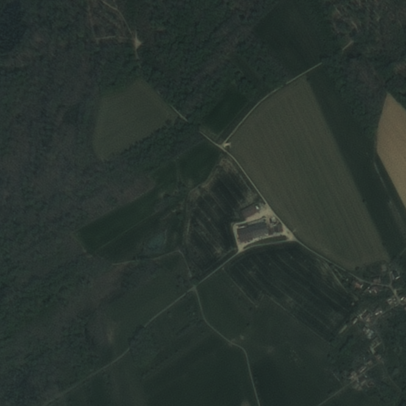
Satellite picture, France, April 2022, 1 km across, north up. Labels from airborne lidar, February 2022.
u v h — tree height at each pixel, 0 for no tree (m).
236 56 0
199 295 0
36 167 16
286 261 0
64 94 23
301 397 0
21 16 26
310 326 0
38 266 0
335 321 0
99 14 0
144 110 0
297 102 0
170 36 27
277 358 0
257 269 0
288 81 18
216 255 8
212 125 0
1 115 31
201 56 25
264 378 0
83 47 30
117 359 0
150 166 20
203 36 28
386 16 19
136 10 10
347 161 0
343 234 0
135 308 0
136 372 0
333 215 0
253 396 0
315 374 0
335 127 0
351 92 23
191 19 33
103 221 0
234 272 0
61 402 0
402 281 11
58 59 32
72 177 33
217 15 31
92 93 23
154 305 0
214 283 0
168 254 0
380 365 0
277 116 0
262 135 0
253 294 0
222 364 0
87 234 0
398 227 0
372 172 0
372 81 21
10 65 35
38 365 33
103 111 0
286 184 0
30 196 22
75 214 30
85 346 14
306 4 12
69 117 7
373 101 25
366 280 15
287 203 0
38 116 23
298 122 0
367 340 0
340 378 0
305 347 0
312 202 0
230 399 0
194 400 0
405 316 5
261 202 0
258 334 0
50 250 24
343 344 0
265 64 27
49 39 32
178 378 0
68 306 19
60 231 19
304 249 0
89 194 30
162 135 17
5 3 13
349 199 0
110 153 0
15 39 23
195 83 25
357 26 0
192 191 0
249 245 0
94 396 0
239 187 0
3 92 31
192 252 0
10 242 27
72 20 35
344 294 0
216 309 0
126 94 0
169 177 0
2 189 32
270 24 0
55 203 28
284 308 0
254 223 0
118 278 0
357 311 0
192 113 27
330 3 0
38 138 29
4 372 25
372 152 0
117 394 0
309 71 0
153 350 23
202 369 0
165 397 0
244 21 25
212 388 0
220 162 0
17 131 28
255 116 0
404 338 6
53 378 31
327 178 0
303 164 0
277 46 0
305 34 0
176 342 0
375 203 0
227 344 0
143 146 18
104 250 0
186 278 0
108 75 30
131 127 0
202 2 31
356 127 0
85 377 11
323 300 0
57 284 25
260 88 0
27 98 14
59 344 23
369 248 0
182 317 0
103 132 0
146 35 10
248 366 0
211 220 0
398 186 0
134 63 24
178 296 0
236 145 0
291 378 0
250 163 0
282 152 0
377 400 0
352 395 0
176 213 0
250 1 0
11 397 19
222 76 27
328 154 0
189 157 0
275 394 0
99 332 0
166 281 0
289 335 0
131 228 0
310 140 0
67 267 13
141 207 0
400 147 0
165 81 7
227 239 0
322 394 0
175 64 23
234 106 0
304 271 0
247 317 0
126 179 24
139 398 0
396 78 24
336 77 25
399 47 20
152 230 0
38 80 28
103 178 25
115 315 0
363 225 0
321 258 0
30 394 20
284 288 0
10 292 23
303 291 0
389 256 0
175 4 31
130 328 0
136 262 23
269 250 0
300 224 0
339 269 0
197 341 0
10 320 26
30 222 28
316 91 0
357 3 0
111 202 23
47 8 30
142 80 0
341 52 19
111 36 0
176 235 0
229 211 0
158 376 0
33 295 19
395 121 0
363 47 30
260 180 0
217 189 0
